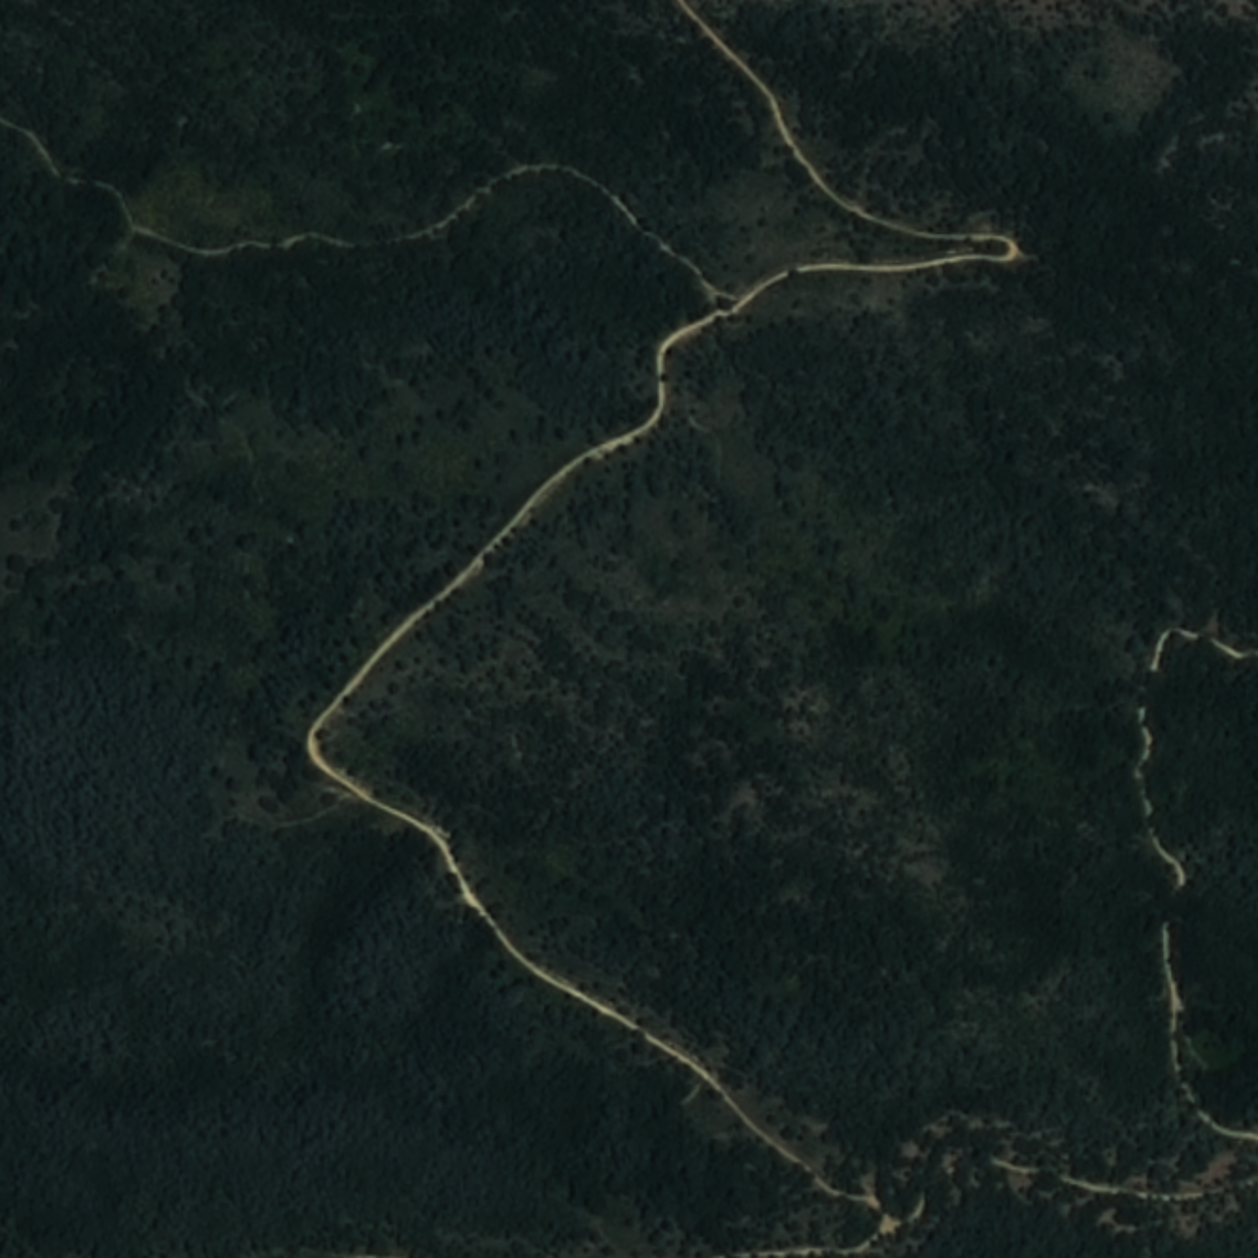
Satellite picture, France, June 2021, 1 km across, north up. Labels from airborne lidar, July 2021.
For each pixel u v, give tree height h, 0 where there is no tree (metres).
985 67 13
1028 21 8
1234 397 17
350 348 8
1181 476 12
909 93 13
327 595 7
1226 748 12
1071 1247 13
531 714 9
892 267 0
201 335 8
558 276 8
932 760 6
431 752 8
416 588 12
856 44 8
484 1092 12
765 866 7
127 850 13
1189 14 9
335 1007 15
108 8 7
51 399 8
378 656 0
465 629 11
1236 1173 10
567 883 10
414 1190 12
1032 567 12
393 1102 18
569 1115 15
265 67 8
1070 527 16
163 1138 17
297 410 10
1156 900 10
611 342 10
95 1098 16
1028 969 7
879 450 20
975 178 11
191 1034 18
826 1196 8
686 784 11
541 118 8
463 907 6
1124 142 6
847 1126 12
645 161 6
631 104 9
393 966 11
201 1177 16
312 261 10
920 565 7
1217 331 14
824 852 6
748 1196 16
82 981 14
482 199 8
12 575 6
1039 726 7
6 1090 14
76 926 9
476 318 14
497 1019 14
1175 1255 12
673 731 7
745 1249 10
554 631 8
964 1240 14
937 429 17
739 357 14
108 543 9
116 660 15
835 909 11
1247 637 7
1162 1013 12
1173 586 7
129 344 15
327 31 10
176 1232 14
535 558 11
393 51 8
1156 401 11
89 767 14
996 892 7
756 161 8
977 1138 12
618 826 15
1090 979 12
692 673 11
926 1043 17
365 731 7
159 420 11
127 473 8
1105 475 10
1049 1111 14
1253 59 11
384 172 7
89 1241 13
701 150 9
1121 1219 11
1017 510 9
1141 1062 8
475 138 7
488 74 10
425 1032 14
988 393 8
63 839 12
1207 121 8
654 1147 9
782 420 9
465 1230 8
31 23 8
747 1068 12
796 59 9
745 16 12
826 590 8
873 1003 14
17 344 10
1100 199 10
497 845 9
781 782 8
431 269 10
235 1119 14
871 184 9
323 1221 11
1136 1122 6
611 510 13
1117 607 15
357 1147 11
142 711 18
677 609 0
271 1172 12
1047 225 14
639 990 12
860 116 9
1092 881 13
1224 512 10
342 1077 15
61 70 6
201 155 6
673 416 6
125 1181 12
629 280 10
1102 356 7
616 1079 13
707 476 10
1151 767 12
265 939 15
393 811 0
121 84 8
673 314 11
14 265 16
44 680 12
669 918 10
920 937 7
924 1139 10
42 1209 10
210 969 14
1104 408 7
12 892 9
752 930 9
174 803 14
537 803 6
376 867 12
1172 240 11
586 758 8
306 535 13
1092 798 8
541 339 7
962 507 10
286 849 10
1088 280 8
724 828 10
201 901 8
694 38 6
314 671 6
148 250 6
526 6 8
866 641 8
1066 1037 8
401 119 7
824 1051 15
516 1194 14
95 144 6
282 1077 11
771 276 0
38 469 16
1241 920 11
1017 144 11
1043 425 9
